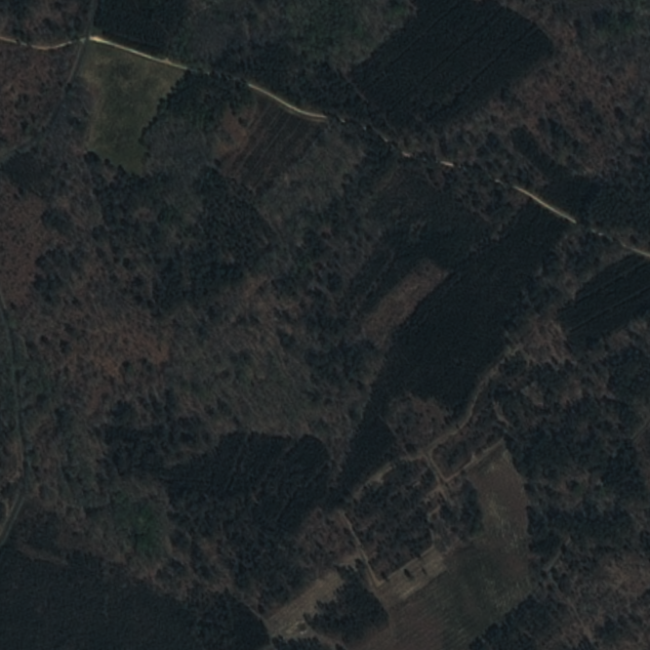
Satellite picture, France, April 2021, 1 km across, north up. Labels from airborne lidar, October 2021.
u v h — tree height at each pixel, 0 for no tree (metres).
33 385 23
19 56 11
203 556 25
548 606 14
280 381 23
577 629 7
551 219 12
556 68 9
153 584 11
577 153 28
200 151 19
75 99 11
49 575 8
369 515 13
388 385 10
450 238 12
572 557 11
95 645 11
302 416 24
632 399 30
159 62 0
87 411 16
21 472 13
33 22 13
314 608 0
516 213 21
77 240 16
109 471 22
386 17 19
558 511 15
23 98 7
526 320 29
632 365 29
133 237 17
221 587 16
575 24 8
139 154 0
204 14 19
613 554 12
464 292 12
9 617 11
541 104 6
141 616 9
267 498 16
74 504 16
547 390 25
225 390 20
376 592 0
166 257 13
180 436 26
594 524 10
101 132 0
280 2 20
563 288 12
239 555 12
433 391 13
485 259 11
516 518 0
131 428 14
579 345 7
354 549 15
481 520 24
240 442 13
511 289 12
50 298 14
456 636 0
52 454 17
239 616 12
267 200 23
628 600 9
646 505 27
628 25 26
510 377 12
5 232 7
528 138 10
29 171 11
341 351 12
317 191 25
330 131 18
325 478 14
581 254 6
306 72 17
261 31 14
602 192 28
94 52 0
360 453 11
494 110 13
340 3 24
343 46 23
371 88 14
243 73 19
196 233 22
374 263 9
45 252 9
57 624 7
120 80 0
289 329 17
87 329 12
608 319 9
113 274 16
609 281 11
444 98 14
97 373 6
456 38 14
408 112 13
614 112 7
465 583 0
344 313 8
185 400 17
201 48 17
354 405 11
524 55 15
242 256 20
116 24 14
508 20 14
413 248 12
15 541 8
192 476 13
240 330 14
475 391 16
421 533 10
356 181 19
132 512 20
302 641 0
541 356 8
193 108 16
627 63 15
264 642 12
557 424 25
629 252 15
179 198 21
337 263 16
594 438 6
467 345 12
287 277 17
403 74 14
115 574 10
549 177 8
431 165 25
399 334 13
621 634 24
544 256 10
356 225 17
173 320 17
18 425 18
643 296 9
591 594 7
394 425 11
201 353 18
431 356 11
